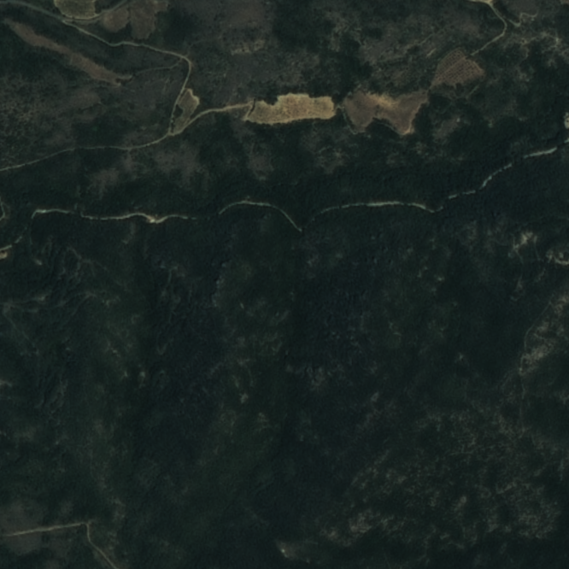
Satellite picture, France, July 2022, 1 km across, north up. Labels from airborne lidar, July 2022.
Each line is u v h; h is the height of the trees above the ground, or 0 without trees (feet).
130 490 23
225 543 18
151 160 19
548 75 27
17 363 23
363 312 18
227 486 24
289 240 20
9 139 24
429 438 20
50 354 37
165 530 18
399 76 0
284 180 21
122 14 0
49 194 24
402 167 41
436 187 36
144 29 0
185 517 19
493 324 24
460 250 20
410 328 20
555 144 20
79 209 25
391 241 17
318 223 19
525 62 26
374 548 25
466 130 20
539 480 21
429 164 30
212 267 18
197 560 23
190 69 0
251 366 21
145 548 18
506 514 23
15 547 0
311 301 18
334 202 35
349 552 22
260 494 20
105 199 27
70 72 19
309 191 27
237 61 0
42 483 21
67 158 22
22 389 20
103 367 18
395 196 22
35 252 20
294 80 0
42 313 24
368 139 24
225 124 22
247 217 23
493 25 19
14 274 26
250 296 20
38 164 24
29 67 18
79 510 20
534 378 19
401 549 25
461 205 19
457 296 25
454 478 17
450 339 26
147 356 19
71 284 26
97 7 21
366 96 0
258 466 30
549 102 25
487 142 27
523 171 21
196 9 0
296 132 29
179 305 19
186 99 0
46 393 21
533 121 31
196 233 21
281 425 21
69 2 0
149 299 34
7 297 24
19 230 23
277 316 31
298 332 26
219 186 20
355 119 0
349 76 19
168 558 19
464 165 29
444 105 23
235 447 19
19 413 18
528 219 18
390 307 18
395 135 22
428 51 0
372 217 18
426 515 21
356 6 24
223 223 20
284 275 18
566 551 25
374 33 22
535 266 22
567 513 25
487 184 20
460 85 29
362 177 40
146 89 0
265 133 25
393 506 19
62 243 21
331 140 21
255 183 32
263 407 18
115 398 17
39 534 0
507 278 20
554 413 23
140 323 18
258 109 0
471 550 23
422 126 21
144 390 26
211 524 18
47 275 26
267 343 19
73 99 0
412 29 19
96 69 0
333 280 24
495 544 21
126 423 22
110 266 19
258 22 0
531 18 0
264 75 0
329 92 22
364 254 18
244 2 0
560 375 24
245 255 19
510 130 24
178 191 21
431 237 17
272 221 20
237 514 19
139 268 25
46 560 22
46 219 19
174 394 22
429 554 22
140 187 22
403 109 0
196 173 18
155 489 23
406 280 20
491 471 19
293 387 20
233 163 28
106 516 22
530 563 22
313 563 22
